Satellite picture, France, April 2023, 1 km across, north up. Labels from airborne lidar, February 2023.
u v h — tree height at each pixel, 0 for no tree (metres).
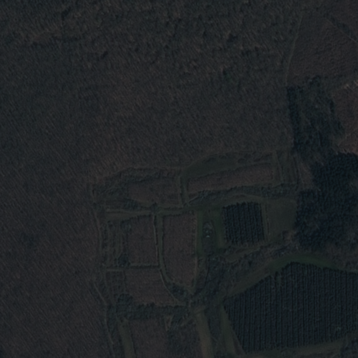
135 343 11
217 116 23
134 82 20
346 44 6
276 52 25
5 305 26
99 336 26
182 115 19
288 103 22
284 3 19
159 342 13
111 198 0
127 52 26
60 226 25
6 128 28
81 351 27
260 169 12
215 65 25
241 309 12
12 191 30
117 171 15
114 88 21
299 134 22
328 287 10
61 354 25
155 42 23
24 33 26
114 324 6
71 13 17
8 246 28
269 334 12
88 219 26
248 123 27
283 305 11
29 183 31
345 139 9
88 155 25
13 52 24
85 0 19
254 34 24
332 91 13
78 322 26
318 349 0
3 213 27
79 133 28
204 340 0
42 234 25
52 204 27
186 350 10
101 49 20
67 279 26
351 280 13
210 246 12
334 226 29
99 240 14
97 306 25
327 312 9
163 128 23
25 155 28
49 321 25
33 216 28
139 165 20
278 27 23
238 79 23
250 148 23
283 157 8
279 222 0
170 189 12
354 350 21
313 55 6
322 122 18
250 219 12
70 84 25
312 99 16
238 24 24
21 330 23
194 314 0
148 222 9
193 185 11
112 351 20
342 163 22
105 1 20
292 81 6
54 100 24
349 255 13
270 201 0
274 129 21
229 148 23
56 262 27
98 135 22
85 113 25
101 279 14
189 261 10
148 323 11
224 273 18
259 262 18
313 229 20
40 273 22
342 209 30
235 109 25
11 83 26
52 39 7
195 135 25
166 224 12
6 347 23
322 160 19
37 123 30
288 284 10
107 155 23
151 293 14
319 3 14
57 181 29
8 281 22
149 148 26
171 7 24
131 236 12
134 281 12
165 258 11
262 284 13
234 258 0
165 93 20
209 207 0
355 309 11
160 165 18
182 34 24
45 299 27
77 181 28
